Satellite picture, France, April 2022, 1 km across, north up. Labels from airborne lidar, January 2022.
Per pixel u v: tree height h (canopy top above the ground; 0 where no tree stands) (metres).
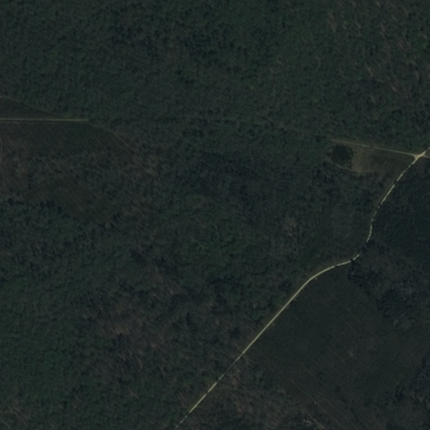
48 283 25
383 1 30
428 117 28
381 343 11
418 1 28
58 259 29
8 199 25
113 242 28
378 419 7
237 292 15
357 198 25
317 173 17
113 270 27
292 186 21
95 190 24
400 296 27
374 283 22
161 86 24
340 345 9
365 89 27
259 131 26
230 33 27
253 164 26
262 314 24
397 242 13
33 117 0
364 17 27
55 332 21
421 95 24
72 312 24
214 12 32
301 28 23
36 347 25
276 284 24
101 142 7
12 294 24
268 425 26
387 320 19
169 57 27
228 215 27
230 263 14
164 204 27
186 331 28
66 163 23
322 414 7
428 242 12
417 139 27
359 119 27
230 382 31
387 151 0
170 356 30
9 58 25
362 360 9
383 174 0
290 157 25
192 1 21
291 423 8
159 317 26
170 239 21
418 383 26
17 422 23
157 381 25
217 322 29
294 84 25
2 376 22
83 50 21
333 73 22
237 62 20
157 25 27
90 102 27
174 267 23
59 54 28
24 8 24
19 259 26
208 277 24
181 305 26
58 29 27
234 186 25
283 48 26
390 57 27
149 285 27
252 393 29
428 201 12
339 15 26
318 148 21
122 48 23
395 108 29
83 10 20
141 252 26
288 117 25
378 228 14
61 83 26
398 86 30
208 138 22
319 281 8
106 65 25
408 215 14
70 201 6
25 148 7
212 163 20
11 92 26
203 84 25
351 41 23
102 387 20
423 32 25
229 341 27
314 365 9
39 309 23
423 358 10
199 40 32
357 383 11
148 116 21
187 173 17
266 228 20
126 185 25
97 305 28
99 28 20
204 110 24
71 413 21
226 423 7
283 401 26
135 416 26
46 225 26
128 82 24
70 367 24
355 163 0
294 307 12
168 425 23
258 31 22
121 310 31
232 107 21
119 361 27
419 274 16
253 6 21
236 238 24
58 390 25
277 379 11
